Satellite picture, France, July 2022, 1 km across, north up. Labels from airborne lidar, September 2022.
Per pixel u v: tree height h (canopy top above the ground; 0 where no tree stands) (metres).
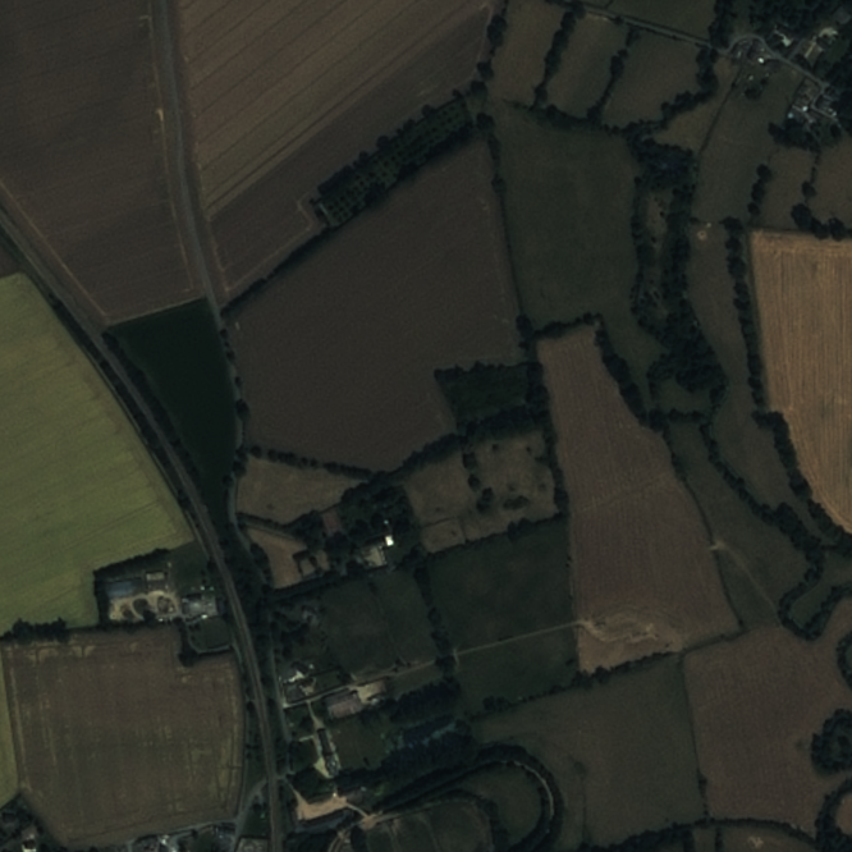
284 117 0
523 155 0
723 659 0
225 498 7
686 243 6
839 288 0
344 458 0
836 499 0
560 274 0
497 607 0
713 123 0
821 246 0
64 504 0
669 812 0
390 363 0
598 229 0
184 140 0
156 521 0
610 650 0
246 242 0
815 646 0
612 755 0
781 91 0
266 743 0
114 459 0
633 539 0
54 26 0
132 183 0
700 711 0
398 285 0
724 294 0
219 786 0
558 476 9
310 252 11
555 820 9
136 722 0
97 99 0
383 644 0
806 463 0
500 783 0
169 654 0
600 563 0
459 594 0
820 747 18
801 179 0
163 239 0
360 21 0
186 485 0
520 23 0
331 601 0
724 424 0
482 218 0
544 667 0
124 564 10
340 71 0
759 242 0
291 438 0
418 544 8
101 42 0
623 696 0
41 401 0
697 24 0
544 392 23
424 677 0
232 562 14
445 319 0
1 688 0
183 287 0
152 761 0
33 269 0
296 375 0
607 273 0
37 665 0
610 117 0
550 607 0
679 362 9
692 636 0
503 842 17
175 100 0
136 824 0
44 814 0
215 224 0
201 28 0
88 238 0
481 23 0
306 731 6
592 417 0
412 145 8
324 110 0
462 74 0
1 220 0
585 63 0
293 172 0
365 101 0
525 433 14
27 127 0
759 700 0
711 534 0
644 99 0
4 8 0
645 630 0
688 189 10
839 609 0
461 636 0
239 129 0
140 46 0
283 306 0
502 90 0
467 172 0
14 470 0
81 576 0
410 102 0
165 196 0
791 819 0
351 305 0
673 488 0
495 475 0
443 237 0
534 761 10
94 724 0
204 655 8
